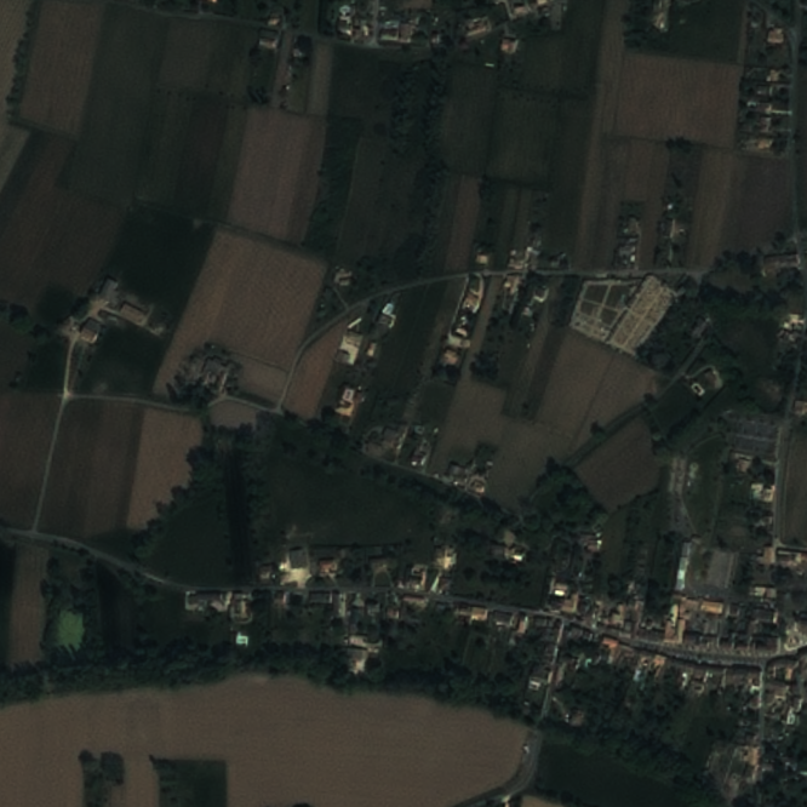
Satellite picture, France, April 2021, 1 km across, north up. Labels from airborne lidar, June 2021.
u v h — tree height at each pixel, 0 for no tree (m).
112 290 0
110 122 0
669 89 0
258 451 15
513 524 18
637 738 14
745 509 6
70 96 0
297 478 0
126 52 0
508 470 0
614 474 0
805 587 9
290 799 0
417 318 0
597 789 0
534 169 0
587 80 0
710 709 0
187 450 0
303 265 0
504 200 0
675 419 0
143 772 0
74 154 0
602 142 0
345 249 0
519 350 0
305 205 0
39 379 0
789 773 14
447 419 0
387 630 15
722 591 0
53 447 0
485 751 0
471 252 0
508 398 0
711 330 15
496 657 0
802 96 0
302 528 0
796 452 0
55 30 0
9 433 0
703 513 0
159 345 0
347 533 0
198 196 0
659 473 0
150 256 0
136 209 0
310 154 0
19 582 0
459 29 11
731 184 0
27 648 0
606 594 0
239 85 0
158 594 15
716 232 0
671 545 12
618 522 0
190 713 0
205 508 0
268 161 0
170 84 0
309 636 0
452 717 0
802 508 0
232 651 18
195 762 0
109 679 31
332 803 0
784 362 6
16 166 0
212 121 0
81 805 0
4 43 0
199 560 0
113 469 0
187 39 0
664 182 0
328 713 0
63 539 0
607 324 0
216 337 0
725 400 0
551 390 0
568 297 10
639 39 6
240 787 0
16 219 0
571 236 0
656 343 12
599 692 6
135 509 0
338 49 0
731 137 0
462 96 0
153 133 0
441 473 0
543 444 0
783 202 0
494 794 0
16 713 0
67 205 0
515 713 9
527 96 0
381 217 0
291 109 0
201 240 0
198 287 0
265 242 0
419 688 25
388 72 0
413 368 0
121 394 0
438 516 13
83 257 0
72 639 0
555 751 0
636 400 0
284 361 0
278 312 0
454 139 0
